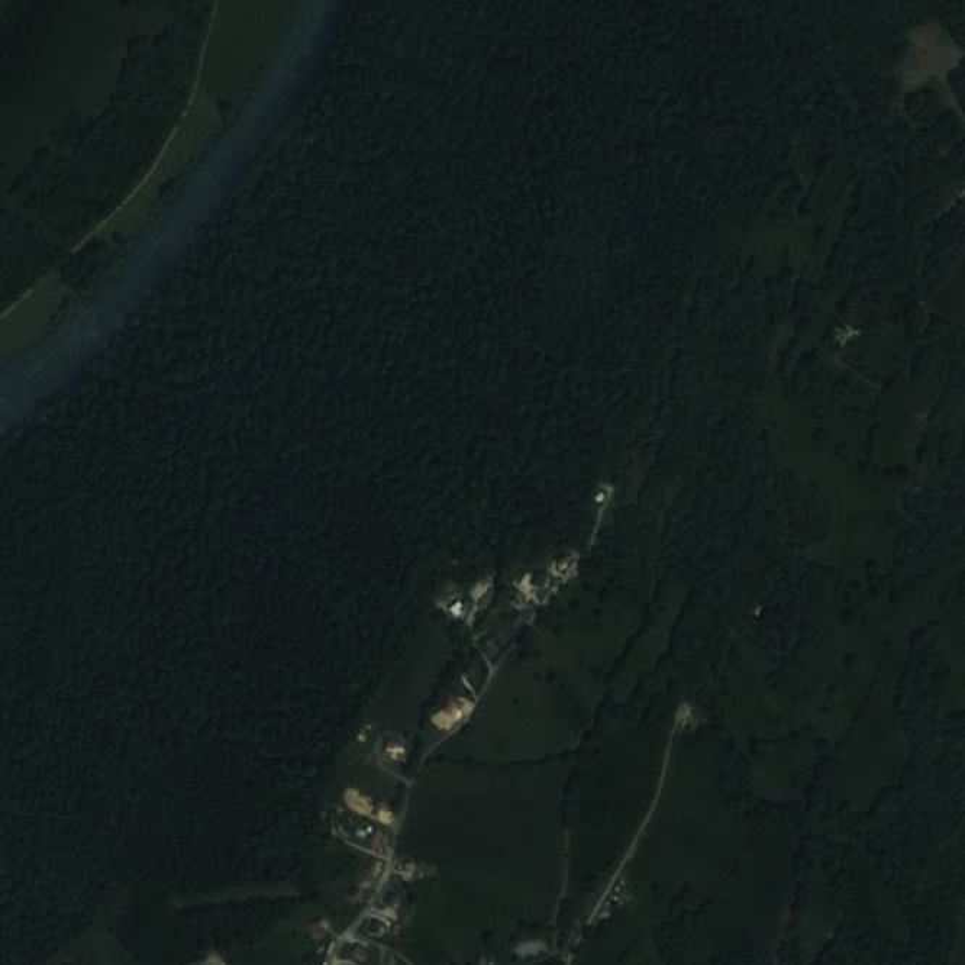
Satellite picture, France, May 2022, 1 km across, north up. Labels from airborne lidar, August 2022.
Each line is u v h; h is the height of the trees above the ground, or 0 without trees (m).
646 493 10
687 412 10
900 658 0
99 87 0
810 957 0
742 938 0
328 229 24
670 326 13
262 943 21
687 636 17
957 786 15
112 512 23
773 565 19
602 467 14
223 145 0
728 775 17
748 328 15
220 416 26
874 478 7
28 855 14
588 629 0
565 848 0
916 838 17
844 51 18
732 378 20
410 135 25
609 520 0
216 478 26
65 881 20
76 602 15
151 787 14
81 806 19
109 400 26
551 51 25
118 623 18
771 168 14
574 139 21
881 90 17
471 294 20
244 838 10
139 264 0
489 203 19
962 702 0
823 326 0
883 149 14
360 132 24
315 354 27
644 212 20
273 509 27
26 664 24
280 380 26
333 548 13
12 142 0
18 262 15
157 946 0
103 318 0
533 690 0
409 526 16
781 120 16
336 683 9
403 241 28
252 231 21
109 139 9
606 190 21
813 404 9
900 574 17
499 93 24
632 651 11
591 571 21
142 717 23
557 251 25
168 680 25
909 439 0
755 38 18
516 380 19
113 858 19
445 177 25
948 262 25
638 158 16
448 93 25
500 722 0
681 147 26
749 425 22
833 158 16
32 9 0
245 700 16
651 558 10
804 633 13
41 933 16
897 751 0
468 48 24
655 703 19
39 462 26
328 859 0
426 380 23
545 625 15
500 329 21
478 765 10
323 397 27
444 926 0
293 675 9
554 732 0
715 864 0
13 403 0
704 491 15
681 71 24
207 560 21
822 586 17
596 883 12
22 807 16
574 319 15
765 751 19
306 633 10
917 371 18
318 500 20
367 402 26
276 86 0
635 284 14
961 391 11
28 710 24
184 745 15
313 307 21
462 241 26
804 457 0
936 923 12
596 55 18
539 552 19
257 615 15
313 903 14
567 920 9
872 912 9
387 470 24
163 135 13
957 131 13
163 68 17
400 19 25
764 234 0
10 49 0
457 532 18
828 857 17
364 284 27
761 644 9
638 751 0
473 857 0
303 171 30
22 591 24
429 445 25
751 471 17
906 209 21
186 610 23
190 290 24
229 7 0
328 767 19
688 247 14
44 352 0
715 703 17
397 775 0
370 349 28
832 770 16
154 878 20
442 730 0
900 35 18
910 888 15
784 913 0
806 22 17
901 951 7
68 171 9
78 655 15
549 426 21
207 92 0
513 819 0
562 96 22
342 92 28
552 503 17
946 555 15
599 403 23
